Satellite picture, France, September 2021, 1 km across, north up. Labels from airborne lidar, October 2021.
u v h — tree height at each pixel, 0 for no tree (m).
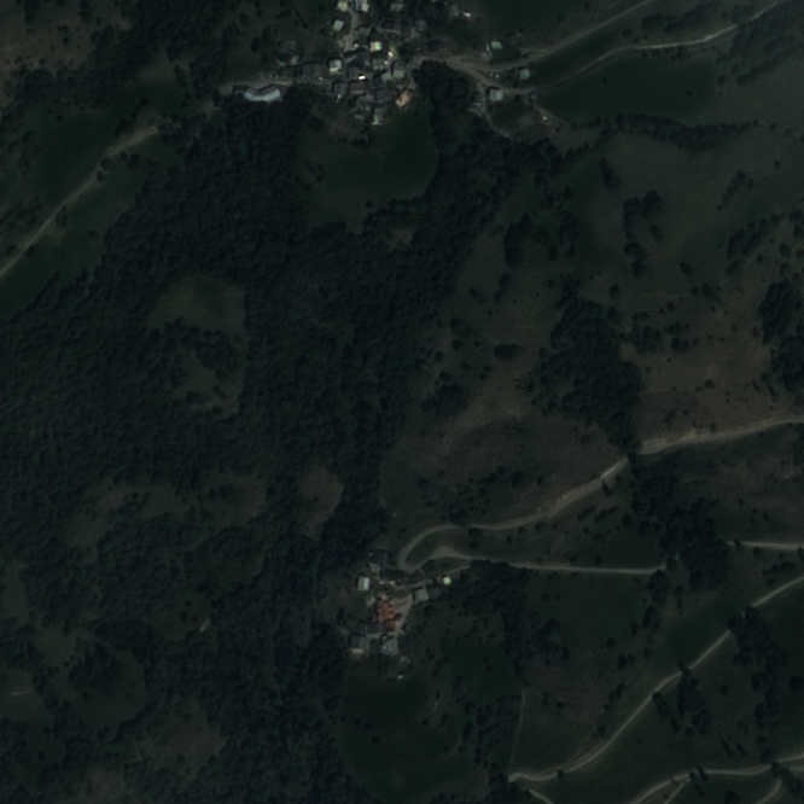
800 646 0
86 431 24
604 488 0
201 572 12
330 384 22
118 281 21
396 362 20
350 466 25
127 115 0
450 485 0
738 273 13
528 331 0
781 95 0
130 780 20
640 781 0
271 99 0
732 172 0
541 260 0
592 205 0
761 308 7
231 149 21
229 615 16
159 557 14
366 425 21
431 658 7
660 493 22
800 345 18
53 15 0
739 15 14
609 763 0
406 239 0
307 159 0
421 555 0
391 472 0
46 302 18
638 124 19
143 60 22
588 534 12
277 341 23
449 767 0
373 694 0
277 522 20
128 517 19
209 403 8
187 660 15
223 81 23
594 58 0
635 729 0
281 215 22
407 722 0
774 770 11
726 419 0
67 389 24
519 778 0
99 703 0
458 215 28
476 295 13
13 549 9
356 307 23
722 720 0
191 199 18
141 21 20
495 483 15
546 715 0
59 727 10
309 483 0
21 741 27
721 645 0
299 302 8
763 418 0
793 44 14
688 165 0
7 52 0
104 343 19
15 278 0
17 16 0
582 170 0
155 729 7
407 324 24
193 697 23
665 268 0
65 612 26
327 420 21
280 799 9
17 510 21
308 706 12
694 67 0
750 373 0
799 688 19
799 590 0
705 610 0
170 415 19
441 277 22
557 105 0
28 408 14
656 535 17
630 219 14
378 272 27
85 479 19
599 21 0
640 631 17
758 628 26
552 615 0
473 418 0
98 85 21
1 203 0
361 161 0
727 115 0
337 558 12
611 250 0
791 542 0
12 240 0
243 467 16
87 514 12
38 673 18
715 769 0
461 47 0
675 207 0
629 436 9
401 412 19
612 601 0
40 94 25
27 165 19
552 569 0
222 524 0
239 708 26
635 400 8
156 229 18
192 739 0
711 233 0
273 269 28
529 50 0
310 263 17
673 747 0
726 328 0
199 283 0
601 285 0
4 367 23
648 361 0
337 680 17
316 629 13
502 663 0
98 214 0
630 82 0
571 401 18
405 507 0
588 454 0
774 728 15
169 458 23
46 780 17
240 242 27
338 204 0
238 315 0
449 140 22
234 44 18
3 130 11
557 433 0
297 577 19
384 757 0
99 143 0
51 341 22
